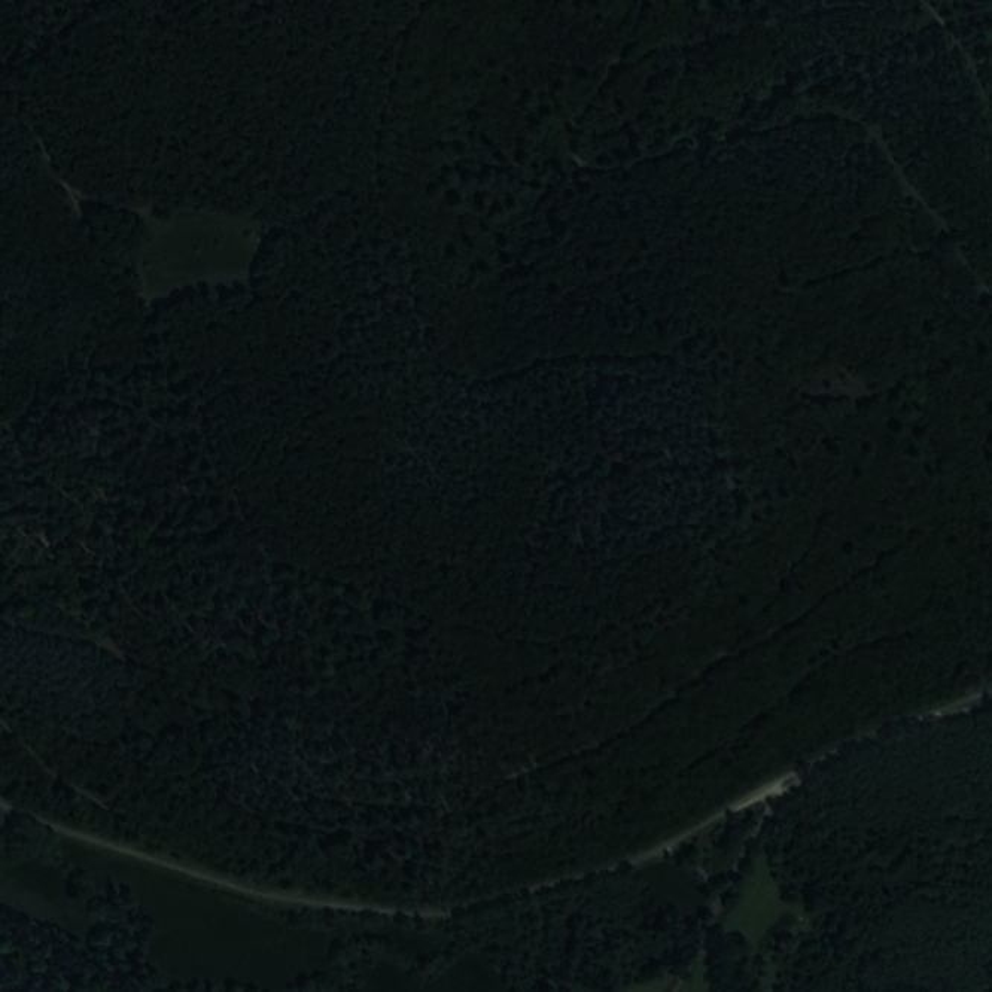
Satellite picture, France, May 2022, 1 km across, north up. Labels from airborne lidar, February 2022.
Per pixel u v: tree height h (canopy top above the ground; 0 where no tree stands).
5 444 24
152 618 30
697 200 18
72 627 26
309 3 16
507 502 19
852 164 15
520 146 23
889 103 20
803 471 11
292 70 17
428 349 29
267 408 21
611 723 16
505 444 26
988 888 12
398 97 17
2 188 17
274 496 19
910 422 11
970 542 13
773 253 16
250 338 16
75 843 0
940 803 20
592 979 32
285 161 22
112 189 23
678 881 0
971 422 16
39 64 26
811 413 16
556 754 15
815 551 13
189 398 32
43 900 0
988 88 8
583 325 17
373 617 15
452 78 25
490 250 15
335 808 28
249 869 20
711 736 19
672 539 27
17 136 21
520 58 14
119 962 10
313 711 15
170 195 23
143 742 35
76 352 26
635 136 36
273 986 0
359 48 19
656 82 17
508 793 9
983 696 0
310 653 24
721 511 19
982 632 12
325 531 21
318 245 18
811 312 17
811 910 19
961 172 17
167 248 0
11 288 23
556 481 17
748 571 18
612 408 31
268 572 15
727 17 24
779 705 7
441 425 20
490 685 10
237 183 22
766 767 10
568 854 9
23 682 23
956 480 17
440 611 23
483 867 8
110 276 23
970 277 16
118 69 17
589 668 10
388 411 25
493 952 23
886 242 19
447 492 18
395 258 28
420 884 32
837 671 10
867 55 14
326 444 23
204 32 17
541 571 20
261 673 14
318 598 17
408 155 16
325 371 18
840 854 5
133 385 29
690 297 20
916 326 12
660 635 16
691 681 12
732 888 13
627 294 15
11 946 31
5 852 25
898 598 10
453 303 18
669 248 17
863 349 18
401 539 19
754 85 27
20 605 32
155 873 0
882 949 21
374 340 26
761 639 16
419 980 13
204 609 25
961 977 23
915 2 19
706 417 27
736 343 19
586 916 11
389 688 9
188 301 16
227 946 0
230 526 25
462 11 17
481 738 8
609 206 15
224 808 16
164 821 29
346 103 18
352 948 17
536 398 24
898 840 6
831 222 15
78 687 21
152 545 29
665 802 14
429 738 9
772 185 19
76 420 27
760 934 0
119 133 19
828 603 13
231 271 0
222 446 19
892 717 8
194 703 33
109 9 18
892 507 12
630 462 23
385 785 20
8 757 17
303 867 19
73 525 22
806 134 11
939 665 13
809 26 20
